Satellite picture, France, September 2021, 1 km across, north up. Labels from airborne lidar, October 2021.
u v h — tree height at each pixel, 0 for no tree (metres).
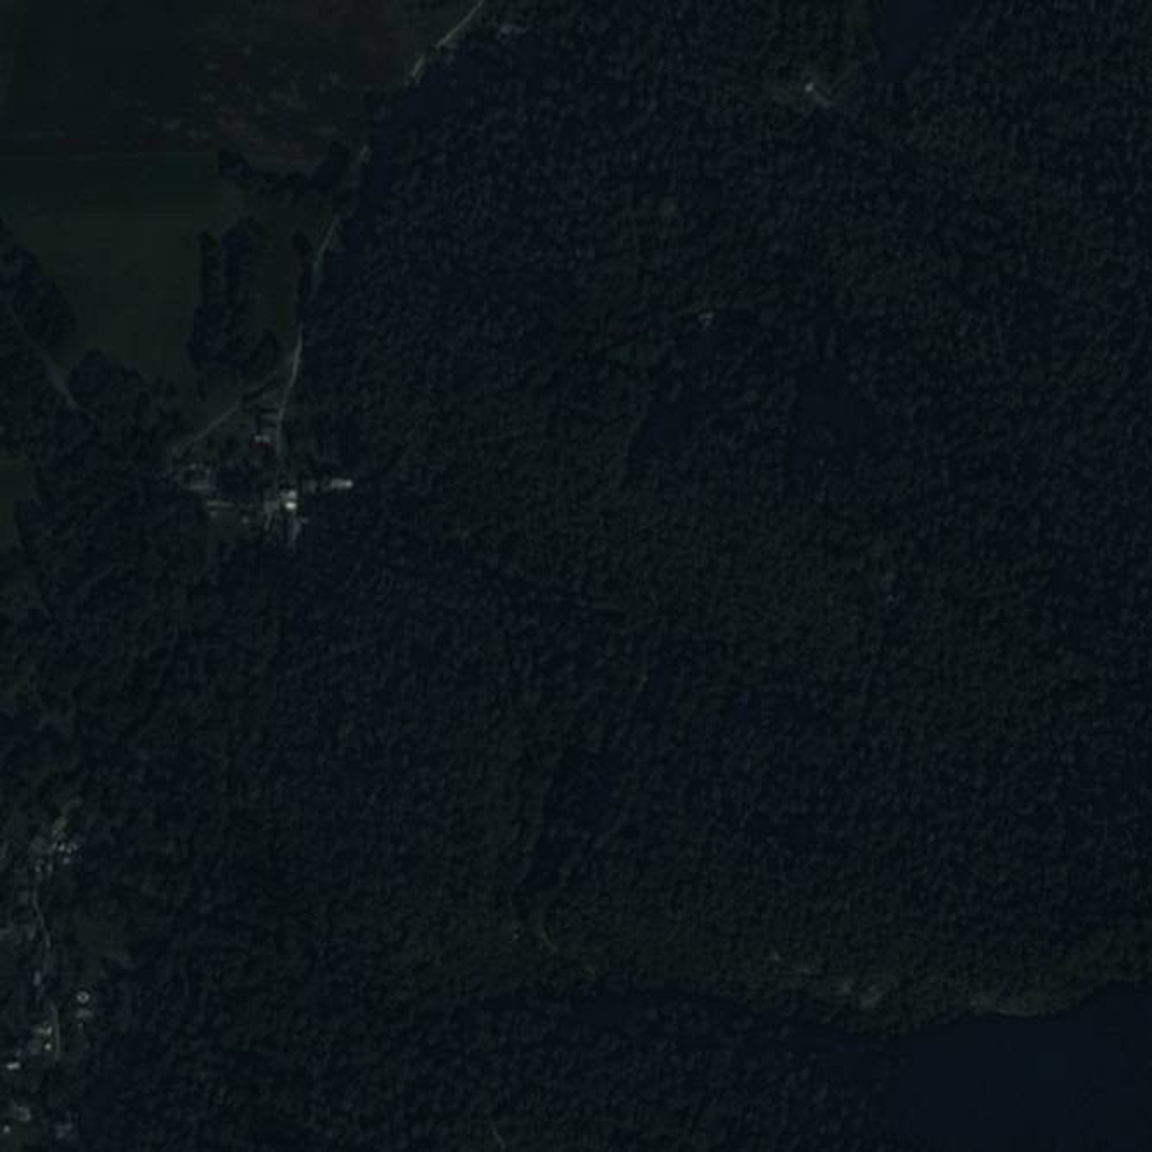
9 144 0
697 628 22
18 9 0
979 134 18
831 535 22
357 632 28
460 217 23
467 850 25
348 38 0
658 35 30
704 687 26
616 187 22
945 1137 21
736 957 23
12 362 17
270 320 0
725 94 21
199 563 27
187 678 16
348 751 27
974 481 27
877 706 29
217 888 20
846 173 30
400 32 0
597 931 18
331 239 0
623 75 23
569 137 6
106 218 0
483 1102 18
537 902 21
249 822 10
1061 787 23
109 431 25
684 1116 30
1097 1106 29
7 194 0
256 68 0
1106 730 23
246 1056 21
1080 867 14
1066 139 31
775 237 20
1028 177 21
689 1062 28
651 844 27
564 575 27
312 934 19
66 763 27
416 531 39
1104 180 16
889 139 9
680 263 20
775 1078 33
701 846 20
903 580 7
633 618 23
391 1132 15
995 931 28
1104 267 8
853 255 13
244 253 20
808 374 10
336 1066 18
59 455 18
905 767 25
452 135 20
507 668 14
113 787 28
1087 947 24
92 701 24
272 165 0
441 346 27
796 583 23
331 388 20
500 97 34
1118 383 20
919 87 25
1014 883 21
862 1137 18
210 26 0
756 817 27
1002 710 25
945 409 39
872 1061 38
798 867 29
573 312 24
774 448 22
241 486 11
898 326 18
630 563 28
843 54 26
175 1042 15
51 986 6
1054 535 28
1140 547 20
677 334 8
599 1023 23
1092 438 19
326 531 17
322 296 15
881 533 23
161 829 13
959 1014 23
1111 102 18
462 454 20
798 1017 18
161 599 24
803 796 24
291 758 19
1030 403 25
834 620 19
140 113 0
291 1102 17
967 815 31
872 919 19
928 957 23
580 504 18
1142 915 12
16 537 0
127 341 0
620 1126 34
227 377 21
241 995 27
